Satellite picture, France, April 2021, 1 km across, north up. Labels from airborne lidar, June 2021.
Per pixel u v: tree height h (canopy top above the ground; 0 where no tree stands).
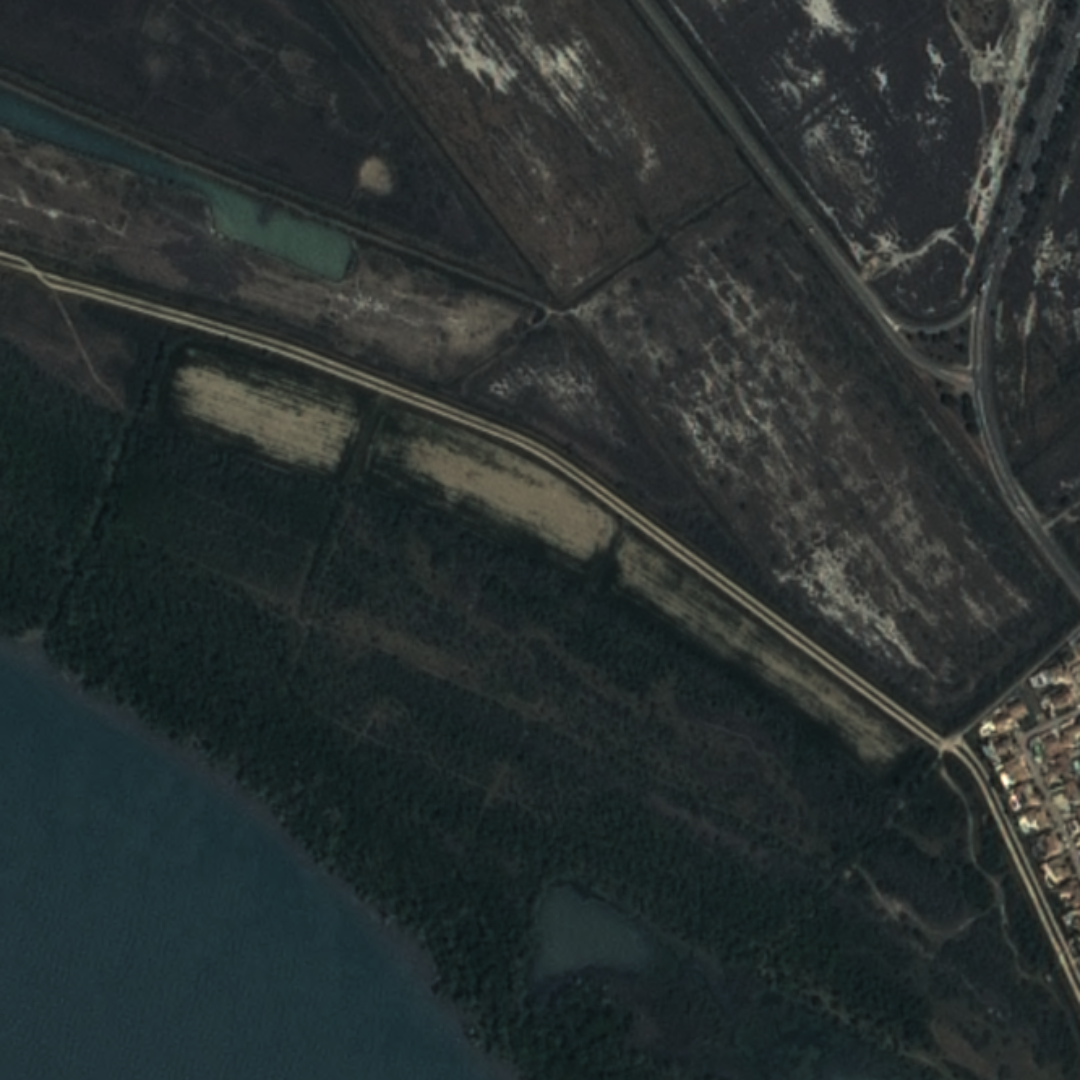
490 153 0
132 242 0
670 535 0
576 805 8
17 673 0
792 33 0
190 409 0
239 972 0
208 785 0
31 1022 0
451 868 7
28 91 0
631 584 0
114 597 14
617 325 0
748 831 7
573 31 0
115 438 14
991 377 0
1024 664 5
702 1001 7
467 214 0
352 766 7
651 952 0
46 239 0
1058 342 0
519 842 6
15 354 9
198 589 8
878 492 0
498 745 7
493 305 0
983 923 6
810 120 0
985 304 0
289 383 0
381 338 0
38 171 0
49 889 0
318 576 8
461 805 6
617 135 0
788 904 12
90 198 0
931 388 0
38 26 0
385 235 0
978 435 7
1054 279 0
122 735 0
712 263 0
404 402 0
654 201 0
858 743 0
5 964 0
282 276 0
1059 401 0
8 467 8
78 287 0
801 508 0
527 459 0
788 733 9
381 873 10
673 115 0
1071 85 6
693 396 0
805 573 0
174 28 0
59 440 12
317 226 0
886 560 0
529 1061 14
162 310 0
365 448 0
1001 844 8
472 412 0
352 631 0
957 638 0
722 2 0
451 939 11
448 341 0
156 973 0
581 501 0
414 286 0
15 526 12
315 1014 0
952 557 0
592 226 0
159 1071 0
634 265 0
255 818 0
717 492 0
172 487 6
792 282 0
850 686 0
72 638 10
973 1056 0
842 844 6
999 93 0
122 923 0
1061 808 0
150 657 13
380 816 10
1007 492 0
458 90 0
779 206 0
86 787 0
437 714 7
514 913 11
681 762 6
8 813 0
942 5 0
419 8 0
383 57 0
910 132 0
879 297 0
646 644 9
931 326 0
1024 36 0
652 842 6
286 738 9
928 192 0
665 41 0
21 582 9
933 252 0
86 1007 0
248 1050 0
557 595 6
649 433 0
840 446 0
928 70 0
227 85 0
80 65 0
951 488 5
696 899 11
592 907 0
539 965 0
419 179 0
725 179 0
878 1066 0
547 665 7
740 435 0
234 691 8
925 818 7
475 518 0
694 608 0
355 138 0
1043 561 0
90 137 0
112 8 0
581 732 6
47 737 0
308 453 0
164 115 0
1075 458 0
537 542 0
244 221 0
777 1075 0
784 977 11
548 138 0
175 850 0
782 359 0
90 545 11
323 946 0
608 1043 11
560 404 0
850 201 0
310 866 0
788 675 0
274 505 9
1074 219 0
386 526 8
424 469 0
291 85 0
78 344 0
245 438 0
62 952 0
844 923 6
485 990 14
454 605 6
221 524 5
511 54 0
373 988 0
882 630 0
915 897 7
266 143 0
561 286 0
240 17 0
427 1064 0
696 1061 0
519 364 0
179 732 13
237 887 0
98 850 0
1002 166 0
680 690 7
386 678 6
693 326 0
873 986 7
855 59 0
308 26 0
